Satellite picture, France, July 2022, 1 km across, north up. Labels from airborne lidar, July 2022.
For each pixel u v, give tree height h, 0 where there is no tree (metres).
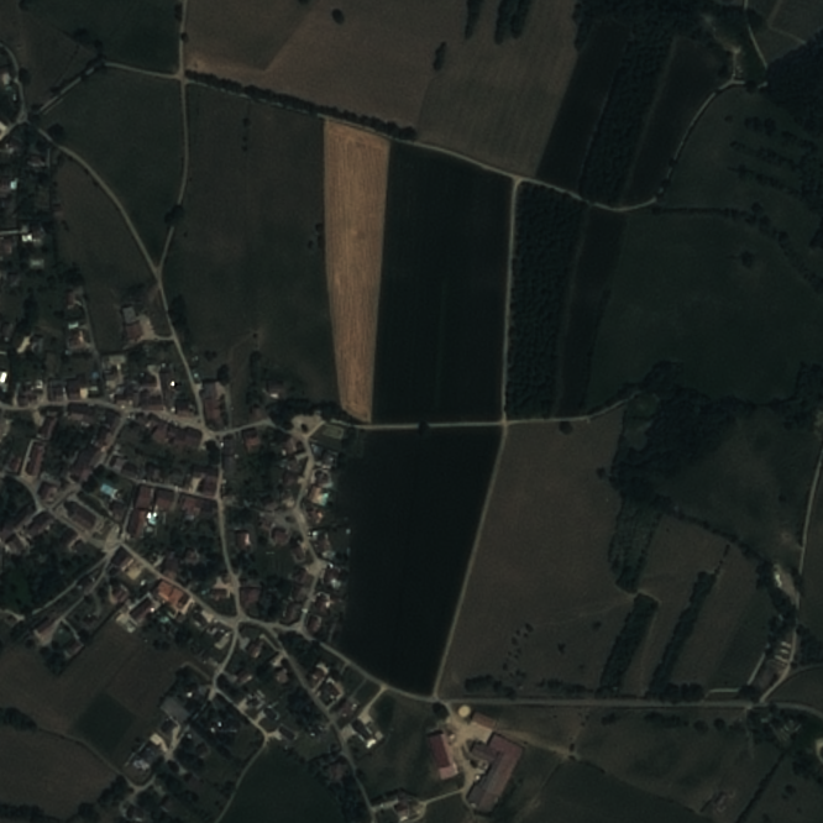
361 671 0
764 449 0
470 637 0
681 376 7
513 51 0
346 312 0
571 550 0
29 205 6
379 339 0
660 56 8
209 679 0
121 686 0
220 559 14
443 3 0
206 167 0
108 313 0
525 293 9
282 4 0
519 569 0
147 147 0
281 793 0
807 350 0
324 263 0
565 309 10
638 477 12
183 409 0
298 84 0
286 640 14
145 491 0
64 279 7
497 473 0
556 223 10
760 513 0
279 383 0
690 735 0
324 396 0
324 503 0
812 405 6
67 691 0
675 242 0
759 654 0
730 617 0
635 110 10
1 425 0
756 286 0
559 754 0
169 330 0
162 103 0
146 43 0
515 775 0
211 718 5
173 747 0
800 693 0
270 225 0
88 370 0
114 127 0
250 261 0
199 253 0
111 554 0
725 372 0
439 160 0
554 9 0
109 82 0
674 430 17
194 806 9
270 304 0
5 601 9
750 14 13
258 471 6
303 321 0
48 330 0
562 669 0
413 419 0
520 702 0
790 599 15
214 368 0
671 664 10
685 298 0
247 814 0
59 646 14
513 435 0
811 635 5
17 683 0
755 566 0
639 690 0
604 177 11
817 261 0
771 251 0
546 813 0
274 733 0
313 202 0
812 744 0
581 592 0
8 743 0
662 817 0
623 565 9
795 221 0
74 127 0
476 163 0
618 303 0
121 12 0
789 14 0
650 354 0
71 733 0
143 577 0
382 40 0
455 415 0
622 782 0
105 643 0
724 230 0
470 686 11
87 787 0
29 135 14
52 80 0
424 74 0
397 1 0
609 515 0
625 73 12
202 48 0
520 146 0
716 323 0
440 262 0
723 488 0
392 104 0
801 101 22
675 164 12
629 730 0
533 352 6
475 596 0
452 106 0
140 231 0
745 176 13
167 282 0
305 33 0
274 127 0
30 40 0
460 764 0
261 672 13
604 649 0
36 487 0
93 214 0
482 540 0
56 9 0
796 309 0
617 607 0
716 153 0
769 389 0
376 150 0
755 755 0
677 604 0
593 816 0
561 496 0
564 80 0
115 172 0
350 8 0
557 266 11
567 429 12
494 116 0
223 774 0
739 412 21
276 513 0
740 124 0
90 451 0
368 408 0
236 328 0
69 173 0
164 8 0
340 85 0
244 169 0
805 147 8
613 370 0
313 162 0
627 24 8
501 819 0
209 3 0
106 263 0
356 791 13
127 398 0
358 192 0
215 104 0
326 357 0
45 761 0
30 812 10
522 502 0
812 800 0
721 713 0
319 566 0
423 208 0
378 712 0
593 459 0
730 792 0
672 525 0
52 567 11
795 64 20
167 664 0
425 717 0
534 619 0
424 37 0
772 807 0
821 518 0
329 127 0
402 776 0
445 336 0
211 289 0
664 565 0
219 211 0
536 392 9
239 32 0
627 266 0
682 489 0
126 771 0
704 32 9
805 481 0
